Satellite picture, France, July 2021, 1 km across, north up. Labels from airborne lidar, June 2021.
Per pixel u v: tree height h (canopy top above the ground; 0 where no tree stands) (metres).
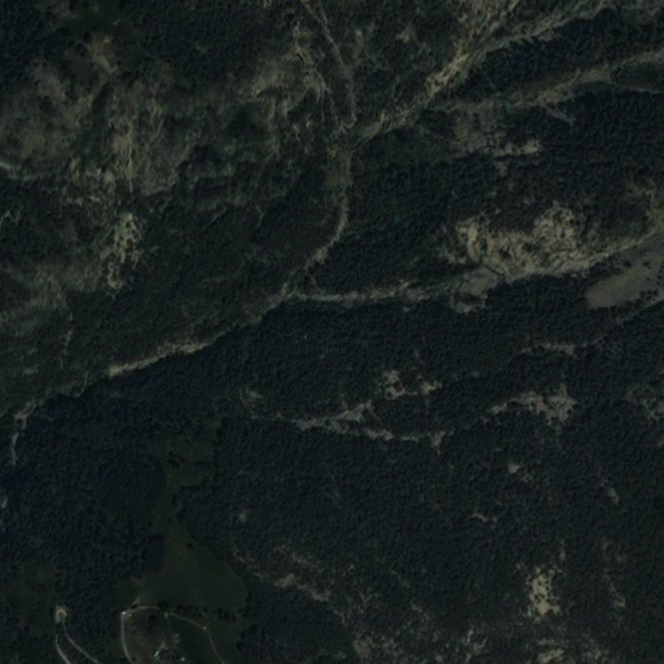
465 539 11
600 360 14
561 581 7
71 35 18
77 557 20
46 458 9
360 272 7
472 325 16
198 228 13
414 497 6
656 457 14
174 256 9
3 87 13
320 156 7
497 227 5
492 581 8
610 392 14
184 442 0
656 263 0
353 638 6
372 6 10
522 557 7
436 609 6
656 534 14
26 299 11
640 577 12
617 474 11
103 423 11
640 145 12
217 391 6
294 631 9
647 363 9
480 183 13
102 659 7
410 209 12
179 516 11
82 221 7
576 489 16
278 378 7
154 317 10
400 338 12
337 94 7
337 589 7
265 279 8
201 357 9
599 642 7
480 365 15
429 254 10
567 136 14
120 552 10
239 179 10
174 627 0
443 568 10
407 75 7
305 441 11
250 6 6
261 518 8
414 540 10
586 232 9
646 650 8
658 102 14
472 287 0
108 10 0
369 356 10
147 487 19
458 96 6
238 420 10
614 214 19
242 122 7
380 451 9
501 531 8
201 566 0
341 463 9
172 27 10
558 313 12
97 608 11
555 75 10
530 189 9
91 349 13
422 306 10
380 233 12
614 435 14
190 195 8
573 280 10
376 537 8
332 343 6
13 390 9
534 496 8
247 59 11
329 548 7
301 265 11
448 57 10
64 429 11
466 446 11
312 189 12
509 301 13
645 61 0
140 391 12
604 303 0
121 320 6
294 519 8
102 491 14
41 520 9
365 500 13
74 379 7
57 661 10
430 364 11
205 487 13
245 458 11
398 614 7
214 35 15
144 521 15
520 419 10
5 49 11
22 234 13
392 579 9
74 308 9
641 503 18
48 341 8
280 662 7
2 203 10
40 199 12
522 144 10
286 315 14
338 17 7
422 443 6
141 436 16
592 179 16
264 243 7
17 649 10
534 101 9
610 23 13
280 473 9
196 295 8
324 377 7
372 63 6
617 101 14
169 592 0
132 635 0
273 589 8
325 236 9
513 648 7
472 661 8
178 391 12
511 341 13
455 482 10
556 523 14
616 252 0
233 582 0
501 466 8
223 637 0
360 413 0
